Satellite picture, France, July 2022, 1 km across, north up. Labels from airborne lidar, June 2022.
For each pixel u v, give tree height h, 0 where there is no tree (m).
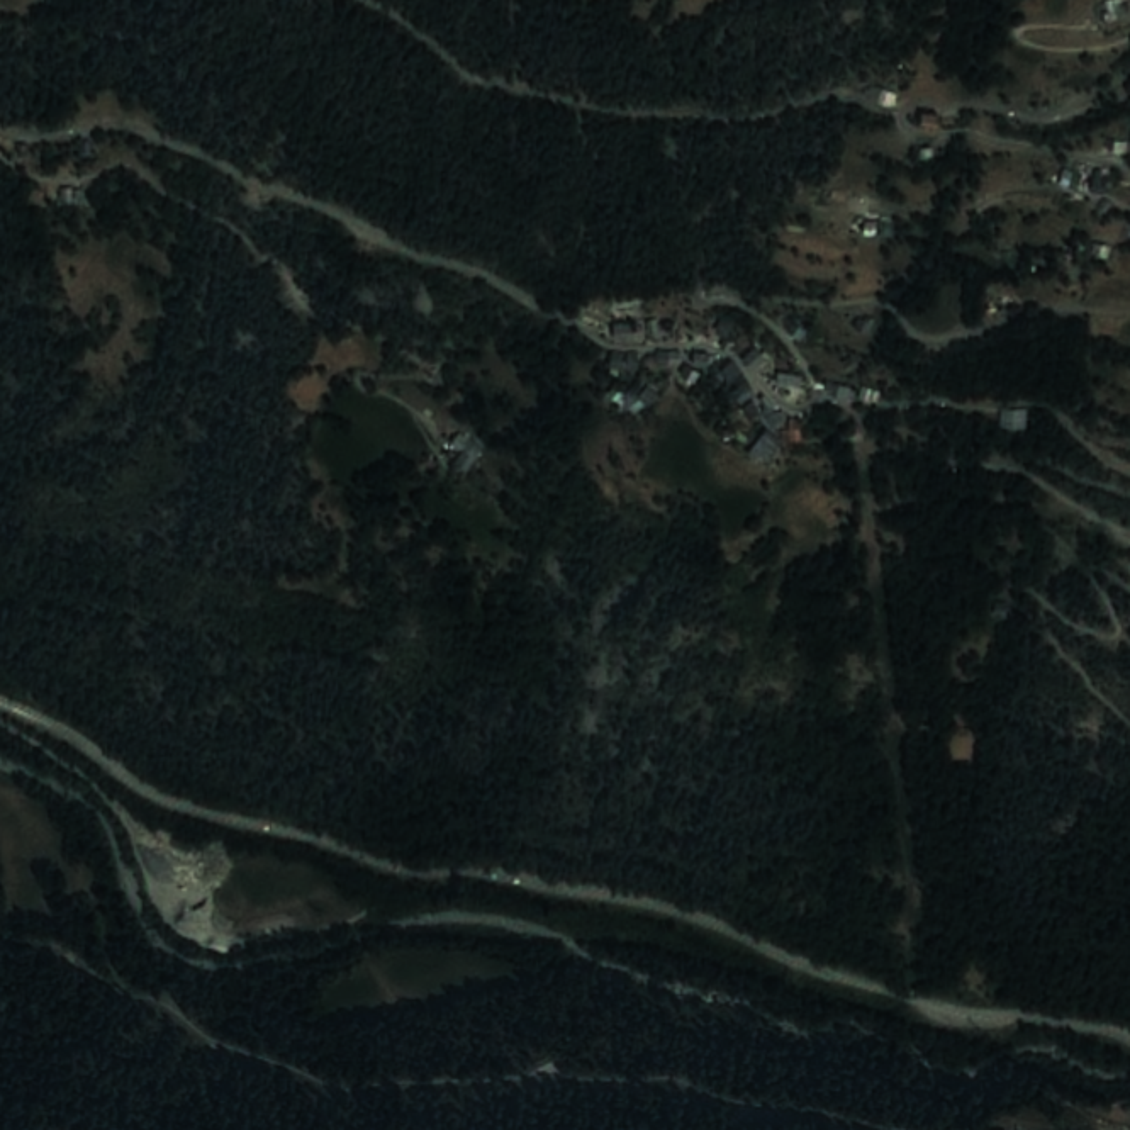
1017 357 24
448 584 21
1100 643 7
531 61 22
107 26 20
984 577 20
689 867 8
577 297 18
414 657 7
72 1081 21
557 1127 15
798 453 7
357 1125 8
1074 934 22
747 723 13
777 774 16
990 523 25
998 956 22
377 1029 28
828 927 20
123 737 16
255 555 14
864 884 15
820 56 18
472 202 15
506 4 12
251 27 10
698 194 18
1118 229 0
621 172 18
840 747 15
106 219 18
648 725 19
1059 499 0
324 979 13
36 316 19
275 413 12
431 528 6
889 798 22
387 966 0
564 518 10
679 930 21
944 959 16
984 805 20
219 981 15
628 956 25
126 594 18
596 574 18
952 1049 24
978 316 14
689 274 16
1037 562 22
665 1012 13
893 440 12
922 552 19
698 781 20
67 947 19
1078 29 0
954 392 20
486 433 9
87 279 0
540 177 17
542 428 18
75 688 19
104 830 18
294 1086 17
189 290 16
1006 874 27
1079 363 18
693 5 0
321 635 10
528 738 22
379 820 22
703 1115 32
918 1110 31
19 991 23
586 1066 22
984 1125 20
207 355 15
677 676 10
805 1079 8
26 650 23
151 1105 27
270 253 10
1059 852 21
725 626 8
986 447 19
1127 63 13
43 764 27
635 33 15
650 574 9
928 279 16
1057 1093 21
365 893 19
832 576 22
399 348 8
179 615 13
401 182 15
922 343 10
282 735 8
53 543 23
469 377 7
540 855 17
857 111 18
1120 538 0
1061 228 0
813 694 20
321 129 14
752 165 18
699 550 17
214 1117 9
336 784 8
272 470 11
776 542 12
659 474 0
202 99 19
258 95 18
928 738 17
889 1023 24
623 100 12
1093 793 16
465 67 9
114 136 11
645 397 0
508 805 31
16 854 0
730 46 15
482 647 10
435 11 14
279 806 13
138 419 11
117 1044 21
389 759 17
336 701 18
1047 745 18
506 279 7
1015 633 19
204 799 19
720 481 0
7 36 16
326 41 14
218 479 13
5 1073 20
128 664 19
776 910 11
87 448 18
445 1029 12
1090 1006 16
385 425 0
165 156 13
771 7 21
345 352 0
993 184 0
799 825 24
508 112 19
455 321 9
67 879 18
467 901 25
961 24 17
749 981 18
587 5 10
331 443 0
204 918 0
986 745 21
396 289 10
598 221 28
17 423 20
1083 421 14
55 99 21
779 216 10
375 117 12
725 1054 32
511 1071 25
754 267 24
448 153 14
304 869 0
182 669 19
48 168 12
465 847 23
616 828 22
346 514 0
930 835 22
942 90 0
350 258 11
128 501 6
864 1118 17
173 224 15
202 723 16
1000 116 8
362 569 18
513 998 17
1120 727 15
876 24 13
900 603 22
